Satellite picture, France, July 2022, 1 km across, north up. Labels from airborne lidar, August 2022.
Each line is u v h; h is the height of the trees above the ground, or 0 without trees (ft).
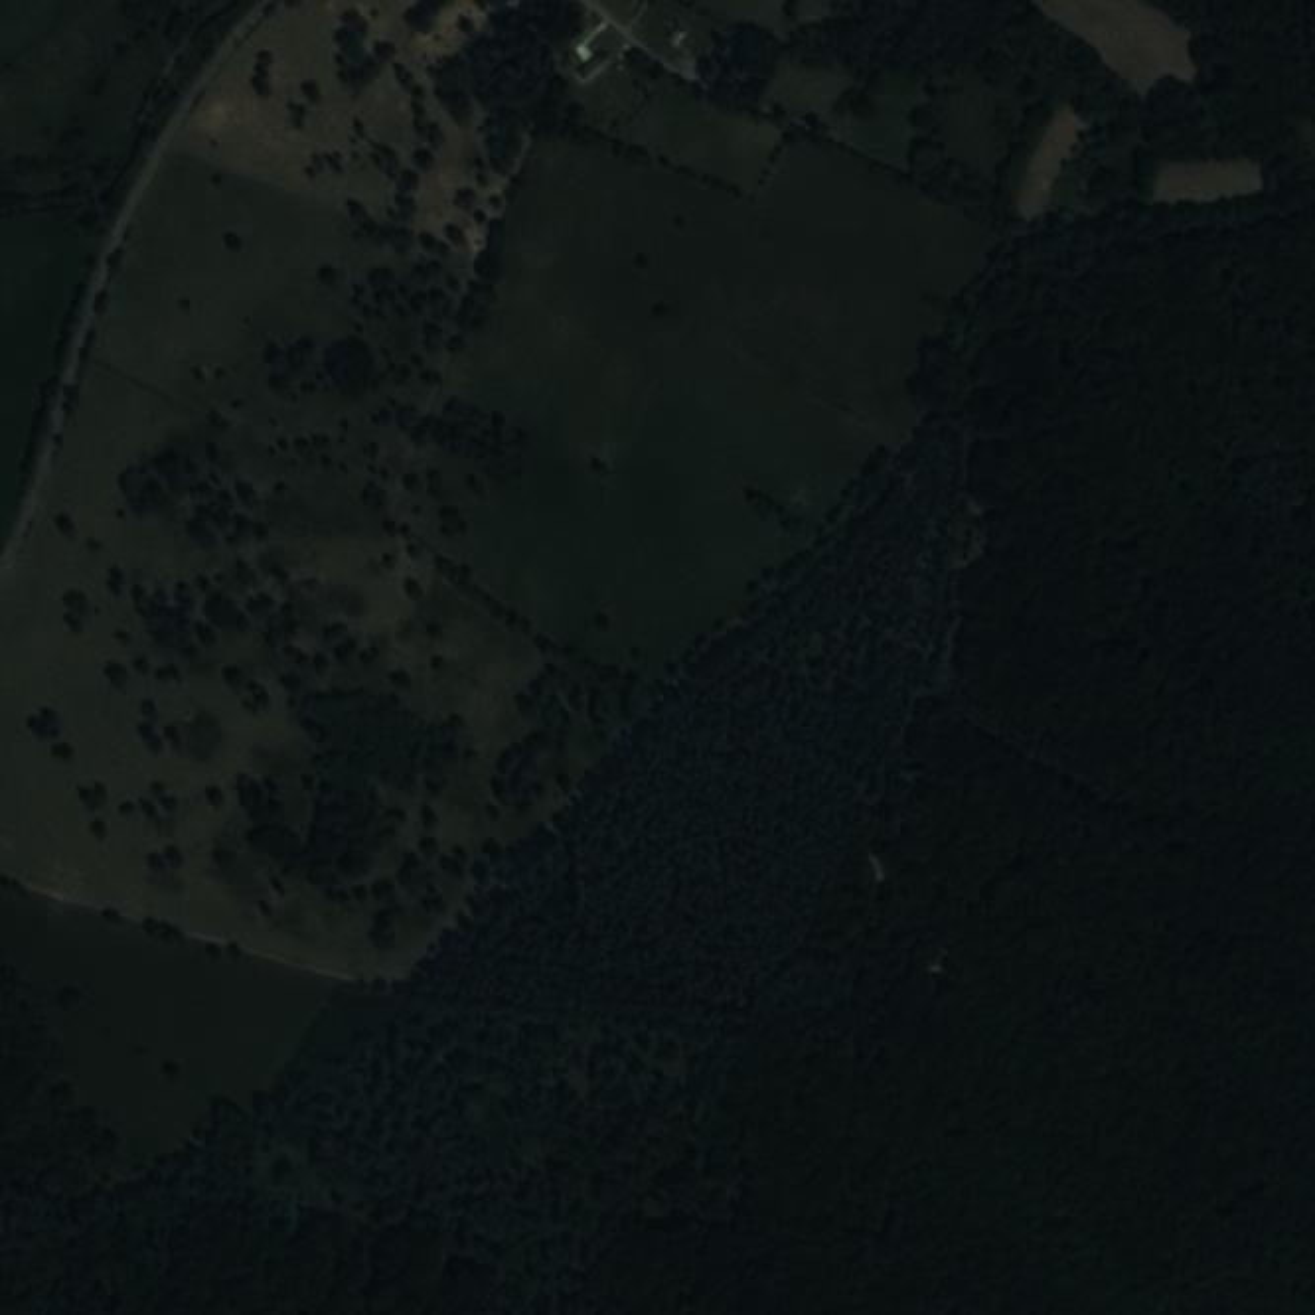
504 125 48
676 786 105
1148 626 65
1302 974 60
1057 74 19
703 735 84
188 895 0
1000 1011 63
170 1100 0
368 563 0
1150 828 71
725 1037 91
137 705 0
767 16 0
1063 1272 62
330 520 0
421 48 0
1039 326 37
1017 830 55
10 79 0
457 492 0
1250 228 74
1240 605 72
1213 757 56
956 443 77
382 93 0
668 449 0
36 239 0
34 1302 54
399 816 46
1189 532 61
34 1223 87
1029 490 59
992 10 61
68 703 0
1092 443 60
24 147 0
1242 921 63
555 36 66
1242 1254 68
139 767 0
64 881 0
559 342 0
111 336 0
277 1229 58
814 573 63
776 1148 72
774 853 99
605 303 0
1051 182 0
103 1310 40
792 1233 71
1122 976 72
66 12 0
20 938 0
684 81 48
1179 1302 49
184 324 0
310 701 23
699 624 0
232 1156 66
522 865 99
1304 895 72
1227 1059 61
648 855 98
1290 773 54
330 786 60
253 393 0
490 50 46
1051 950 65
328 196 0
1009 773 70
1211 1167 62
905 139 0
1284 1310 67
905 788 56
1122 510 52
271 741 0
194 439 0
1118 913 67
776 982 87
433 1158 26
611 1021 40
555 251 0
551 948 59
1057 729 54
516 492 0
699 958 88
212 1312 73
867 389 0
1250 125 69
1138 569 38
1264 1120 53
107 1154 62
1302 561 65
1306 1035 56
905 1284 66
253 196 0
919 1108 76
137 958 0
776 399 0
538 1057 66
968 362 19
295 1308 51
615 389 0
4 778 0
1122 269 84
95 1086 0
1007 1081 58
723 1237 70
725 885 89
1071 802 78
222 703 0
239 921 0
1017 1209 63
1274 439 34
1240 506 61
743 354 0
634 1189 73
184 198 0
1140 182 47
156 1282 49
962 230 0
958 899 59
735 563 0
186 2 0
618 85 0
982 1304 80
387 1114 32
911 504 71
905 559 65
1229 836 69
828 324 0
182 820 0
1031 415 68
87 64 0
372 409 0
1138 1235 55
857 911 60
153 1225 32
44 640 0
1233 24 77
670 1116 65
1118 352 70
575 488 0
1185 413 68
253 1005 0
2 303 0
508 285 0
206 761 0
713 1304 83
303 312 0
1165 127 51
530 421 0
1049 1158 61
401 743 26
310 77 0
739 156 0
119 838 0
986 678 69
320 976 0
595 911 87
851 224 0
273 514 0
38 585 0
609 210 0
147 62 0
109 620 0
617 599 0
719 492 0
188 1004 0
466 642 0
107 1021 0
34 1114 24
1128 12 0
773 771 94
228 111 0
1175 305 75
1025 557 68
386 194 0
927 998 59
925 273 0
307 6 0
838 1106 70
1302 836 65
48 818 0
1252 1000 71
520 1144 31
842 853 59
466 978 65
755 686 57
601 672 20
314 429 0
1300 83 78
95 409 0
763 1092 60
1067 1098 60
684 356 0
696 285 0
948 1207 65
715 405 0
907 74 48
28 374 0
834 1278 73
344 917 0
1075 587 67
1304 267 87
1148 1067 65
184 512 0
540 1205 68
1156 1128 63
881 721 65
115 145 0
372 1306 73
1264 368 69
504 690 0
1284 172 31
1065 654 73
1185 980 66
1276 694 52
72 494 0
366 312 46
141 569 0
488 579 0
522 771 36
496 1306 81
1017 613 64
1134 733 55
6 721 0
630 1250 79
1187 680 66
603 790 89
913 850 54
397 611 0
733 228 0
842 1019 76
